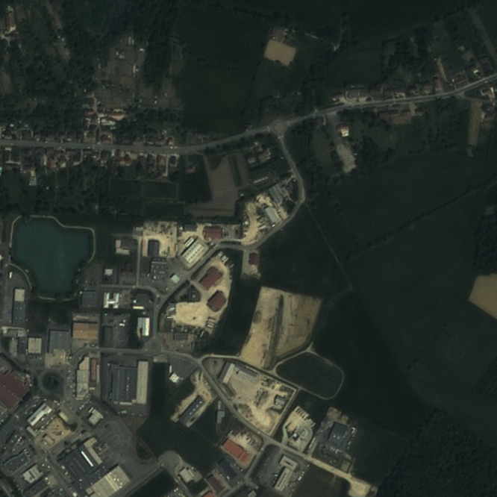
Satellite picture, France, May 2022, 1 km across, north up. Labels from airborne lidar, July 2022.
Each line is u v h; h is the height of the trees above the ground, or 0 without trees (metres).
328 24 0
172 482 0
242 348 0
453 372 0
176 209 0
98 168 6
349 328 0
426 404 0
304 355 0
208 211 0
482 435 0
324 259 0
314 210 7
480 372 0
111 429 0
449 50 0
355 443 0
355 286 0
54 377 0
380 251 0
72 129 8
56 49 0
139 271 0
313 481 0
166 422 0
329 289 0
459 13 15
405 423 0
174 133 0
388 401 0
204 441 0
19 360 0
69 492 0
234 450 0
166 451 0
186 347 0
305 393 0
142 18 22
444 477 12
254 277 0
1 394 0
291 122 0
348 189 0
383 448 0
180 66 0
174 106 0
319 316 0
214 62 0
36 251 0
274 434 0
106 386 0
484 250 20
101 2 8
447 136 9
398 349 0
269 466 0
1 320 0
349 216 0
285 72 0
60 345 0
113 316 0
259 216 0
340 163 10
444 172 0
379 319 0
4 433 0
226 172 0
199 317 0
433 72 0
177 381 0
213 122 0
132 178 0
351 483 0
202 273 0
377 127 12
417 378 0
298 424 0
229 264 0
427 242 0
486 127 0
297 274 0
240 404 0
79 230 0
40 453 0
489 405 0
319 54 0
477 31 9
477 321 0
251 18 12
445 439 13
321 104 18
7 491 0
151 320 0
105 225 0
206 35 0
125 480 0
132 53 0
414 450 17
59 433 0
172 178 17
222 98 0
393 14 0
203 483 0
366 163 21
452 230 0
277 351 0
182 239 0
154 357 0
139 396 0
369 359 0
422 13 0
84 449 0
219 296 0
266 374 0
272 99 8
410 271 0
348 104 0
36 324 0
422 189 0
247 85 0
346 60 0
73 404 0
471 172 0
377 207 0
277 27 12
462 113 7
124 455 0
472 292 0
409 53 18
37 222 0
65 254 0
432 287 0
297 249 0
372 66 0
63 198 11
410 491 16
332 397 0
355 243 8
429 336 0
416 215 0
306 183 0
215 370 0
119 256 0
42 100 0
